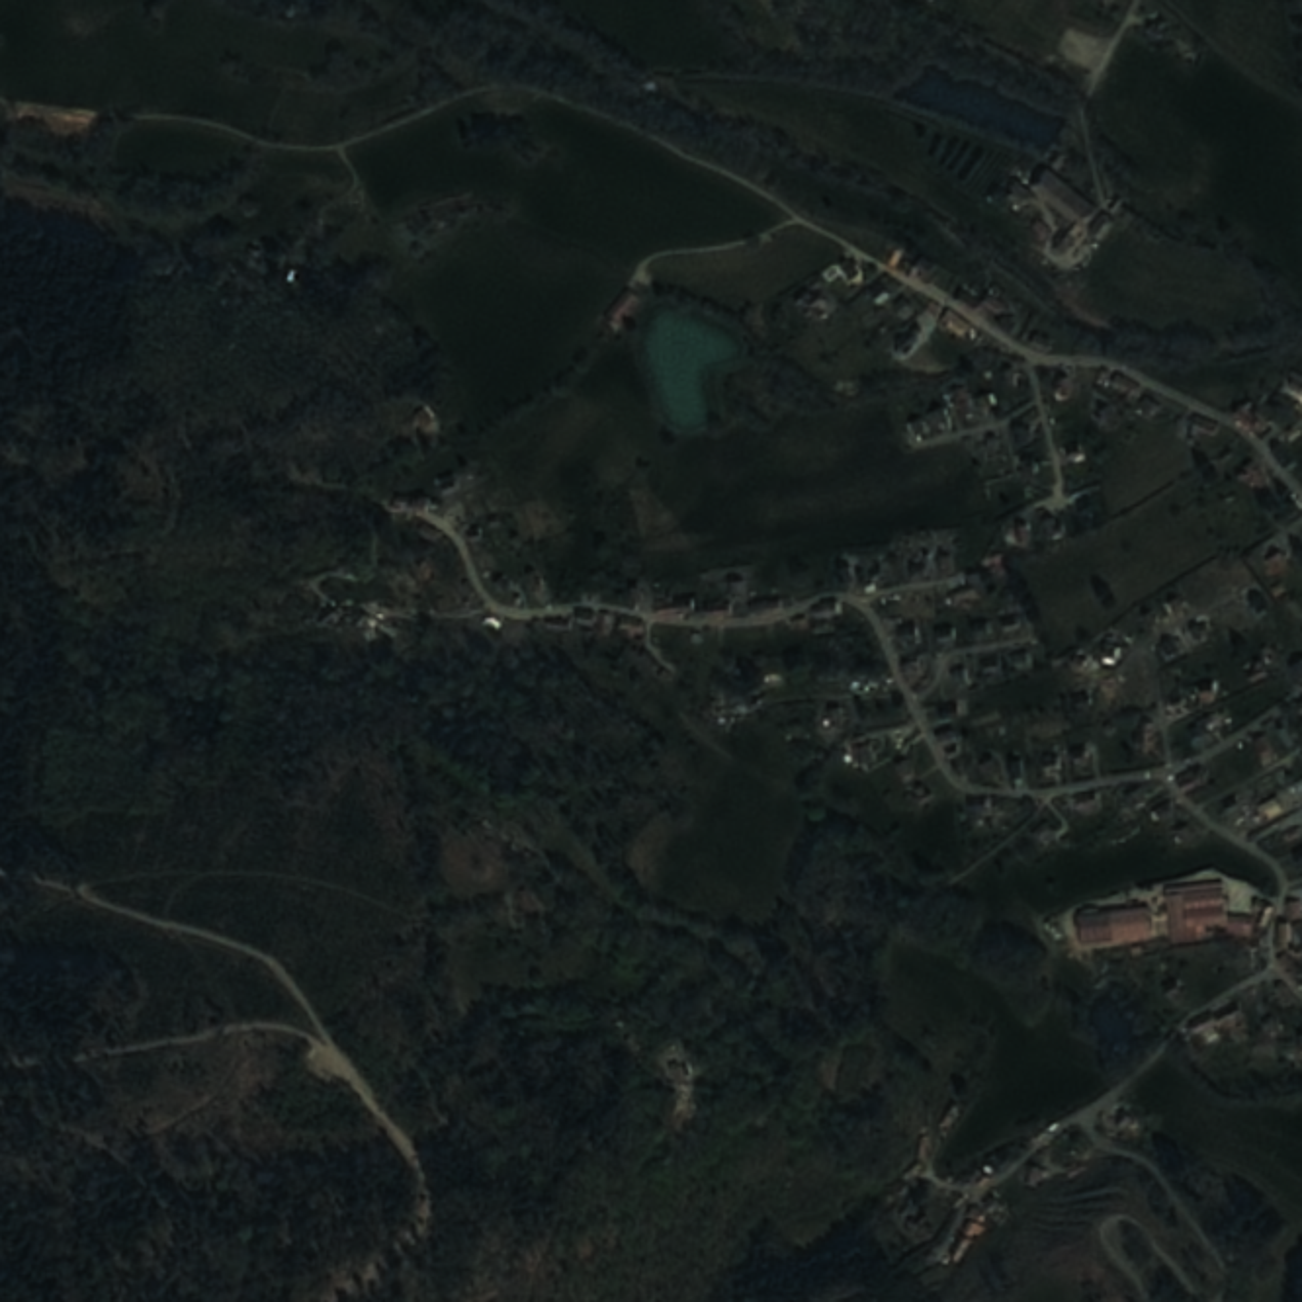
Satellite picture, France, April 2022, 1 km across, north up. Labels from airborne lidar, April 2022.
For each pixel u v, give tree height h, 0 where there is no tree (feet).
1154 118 0
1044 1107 0
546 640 0
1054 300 32
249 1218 63
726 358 0
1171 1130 0
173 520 36
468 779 52
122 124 46
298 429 51
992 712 0
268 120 0
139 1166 61
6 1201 94
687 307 36
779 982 58
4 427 47
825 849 80
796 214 0
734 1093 79
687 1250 35
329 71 42
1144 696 0
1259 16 0
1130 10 0
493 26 69
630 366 0
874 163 0
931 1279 0
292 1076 41
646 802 79
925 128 0
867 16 59
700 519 0
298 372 50
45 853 95
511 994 31
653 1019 36
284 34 0
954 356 0
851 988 100
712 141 65
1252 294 0
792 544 0
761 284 0
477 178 0
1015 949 82
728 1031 72
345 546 45
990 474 0
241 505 32
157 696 64
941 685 0
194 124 0
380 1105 45
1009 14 0
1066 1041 0
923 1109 52
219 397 58
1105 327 0
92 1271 77
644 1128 66
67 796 39
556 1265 33
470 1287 87
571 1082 40
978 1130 0
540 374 0
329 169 0
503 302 0
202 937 0
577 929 51
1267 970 0
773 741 0
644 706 0
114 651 37
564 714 44
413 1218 95
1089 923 0
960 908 81
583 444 0
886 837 28
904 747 0
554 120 0
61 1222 57
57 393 51
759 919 0
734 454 0
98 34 0
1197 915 0
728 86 0
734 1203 28
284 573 24
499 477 0
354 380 42
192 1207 83
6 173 24
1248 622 0
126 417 33
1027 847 43
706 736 0
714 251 0
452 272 0
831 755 27
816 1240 0
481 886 0
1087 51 0
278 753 60
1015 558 45
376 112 0
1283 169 0
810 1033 84
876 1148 69
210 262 53
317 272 65
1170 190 0
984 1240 0
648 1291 21
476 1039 74
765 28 0
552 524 0
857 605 0
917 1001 0
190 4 0
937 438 0
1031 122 0
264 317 52
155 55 0
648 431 0
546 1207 104
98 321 89
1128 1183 0
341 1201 91
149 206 68
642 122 50
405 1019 46
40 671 106
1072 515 0
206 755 36
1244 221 0
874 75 65
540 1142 68
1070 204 0
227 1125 35
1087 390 0
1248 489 0
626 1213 30
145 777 45
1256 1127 0
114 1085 56
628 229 0
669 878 0
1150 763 0
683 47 0
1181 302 0
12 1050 97
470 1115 39
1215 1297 0
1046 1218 0
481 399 0
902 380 47
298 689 66
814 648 0
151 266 56
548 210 0
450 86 54
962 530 0
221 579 51
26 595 72
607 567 22
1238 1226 79
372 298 41
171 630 26
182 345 58
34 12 0
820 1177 28
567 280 0
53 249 90
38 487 71
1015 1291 52
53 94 0
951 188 0
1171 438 0
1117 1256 0
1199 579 0
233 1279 92
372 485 41
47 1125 28
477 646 67
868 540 0
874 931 59
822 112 0
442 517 0
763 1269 72
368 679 68
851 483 0
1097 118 43
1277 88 0
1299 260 0
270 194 0
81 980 63
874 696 0
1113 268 0
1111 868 0
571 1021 60
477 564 0
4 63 0
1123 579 0
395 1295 92
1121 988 32
